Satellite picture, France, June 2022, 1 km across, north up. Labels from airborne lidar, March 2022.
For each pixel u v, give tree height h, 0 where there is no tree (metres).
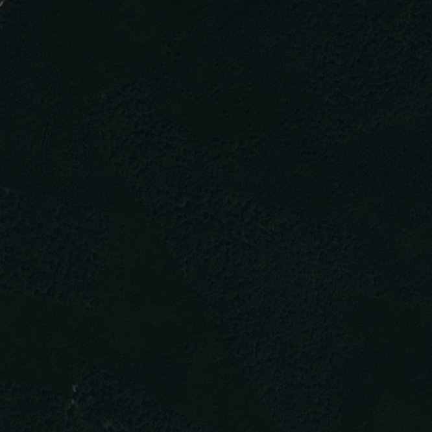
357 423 10
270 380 17
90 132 21
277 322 17
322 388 21
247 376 14
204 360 14
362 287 20
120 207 11
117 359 13
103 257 18
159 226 19
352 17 18
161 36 16
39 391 20
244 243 25
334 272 22
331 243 21
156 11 10
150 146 25
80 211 23
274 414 16
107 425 0
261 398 14
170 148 25
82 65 15
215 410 7
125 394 24
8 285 19
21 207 23
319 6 21
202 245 18
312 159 26
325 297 20
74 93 18
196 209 21
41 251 22
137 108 23
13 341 12
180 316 14
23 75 17
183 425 20
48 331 12
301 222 24
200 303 9
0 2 0
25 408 23
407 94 22
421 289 18
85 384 21
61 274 21
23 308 10
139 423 18
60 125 19
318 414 20
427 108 22
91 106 18
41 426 21
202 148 21
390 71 24
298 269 19
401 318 10
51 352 12
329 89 20
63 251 25
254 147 17
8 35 23
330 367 21
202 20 20
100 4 11
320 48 21
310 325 18
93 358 0
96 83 12
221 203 26
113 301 7
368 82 27
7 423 21
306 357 17
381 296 18
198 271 19
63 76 16
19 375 10
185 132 19
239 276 23
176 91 16
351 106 26
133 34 14
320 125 25
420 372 23
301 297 19
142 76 17
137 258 7
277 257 17
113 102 23
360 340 14
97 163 14
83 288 22
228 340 14
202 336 12
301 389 18
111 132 18
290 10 15
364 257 20
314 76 26
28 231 23
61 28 10
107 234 20
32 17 16
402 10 0
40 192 16
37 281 27
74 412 18
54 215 22
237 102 19
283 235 21
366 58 19
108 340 11
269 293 19
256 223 23
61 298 23
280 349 21
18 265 26
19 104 21
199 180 23
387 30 23
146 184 21
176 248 20
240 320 22
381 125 21
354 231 13
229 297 20
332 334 18
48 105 17
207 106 15
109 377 22
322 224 20
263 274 19
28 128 16
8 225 26
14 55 16
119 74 15
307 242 23
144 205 18
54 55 16
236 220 24
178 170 21
